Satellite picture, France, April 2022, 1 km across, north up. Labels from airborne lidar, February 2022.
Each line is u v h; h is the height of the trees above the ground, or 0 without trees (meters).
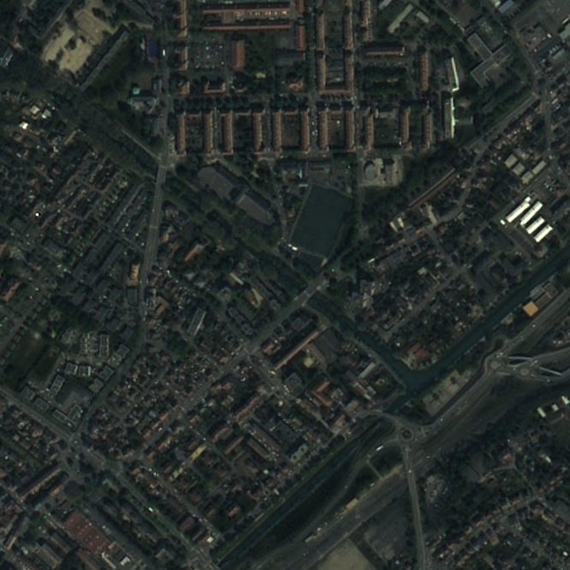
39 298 0
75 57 0
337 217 0
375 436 0
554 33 0
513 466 0
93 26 0
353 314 0
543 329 0
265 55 0
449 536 8
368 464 0
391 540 0
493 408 0
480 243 0
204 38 0
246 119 13
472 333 0
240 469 0
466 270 0
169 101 0
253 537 0
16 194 14
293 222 0
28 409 0
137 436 9
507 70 0
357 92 0
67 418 0
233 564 0
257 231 19
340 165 0
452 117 0
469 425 0
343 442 11
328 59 10
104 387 12
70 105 27
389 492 0
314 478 0
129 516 0
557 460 19
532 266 0
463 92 0
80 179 0
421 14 0
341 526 0
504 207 0
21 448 14
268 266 26
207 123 0
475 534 0
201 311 0
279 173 16
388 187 0
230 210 15
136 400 0
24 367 0
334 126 0
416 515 0
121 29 0
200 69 10
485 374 0
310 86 12
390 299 8
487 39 0
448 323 17
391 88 16
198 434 0
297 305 0
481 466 0
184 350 17
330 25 0
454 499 22
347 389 7
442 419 0
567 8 0
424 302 0
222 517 9
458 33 12
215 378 0
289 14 0
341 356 9
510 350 0
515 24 0
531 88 8
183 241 12
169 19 15
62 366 0
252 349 0
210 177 0
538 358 0
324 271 0
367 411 0
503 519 0
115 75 0
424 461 0
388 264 0
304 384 9
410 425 0
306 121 0
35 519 13
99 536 0
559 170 0
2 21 12
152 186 12
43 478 0
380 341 6
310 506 0
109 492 9
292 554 0
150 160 13
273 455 0
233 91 9
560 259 0
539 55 0
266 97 0
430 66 0
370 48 0
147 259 0
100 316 0
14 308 0
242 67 0
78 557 18
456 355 0
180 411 0
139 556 0
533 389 0
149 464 0
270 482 0
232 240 25
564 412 0
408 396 0
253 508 0
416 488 0
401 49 0
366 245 8
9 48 0
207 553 0
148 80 0
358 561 0
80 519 0
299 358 13
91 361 0
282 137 0
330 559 0
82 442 0
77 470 0
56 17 0
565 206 0
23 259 0
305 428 0
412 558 0
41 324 0
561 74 0
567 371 0
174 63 12
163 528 10
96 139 23
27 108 0
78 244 0
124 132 15
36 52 14
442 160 17
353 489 0
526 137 8
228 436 0
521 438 0
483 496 17
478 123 17
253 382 7
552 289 0
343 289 0
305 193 15
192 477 0
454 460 18
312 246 0
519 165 0
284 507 0
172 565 7
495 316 0
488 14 15
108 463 0
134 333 12
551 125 0
